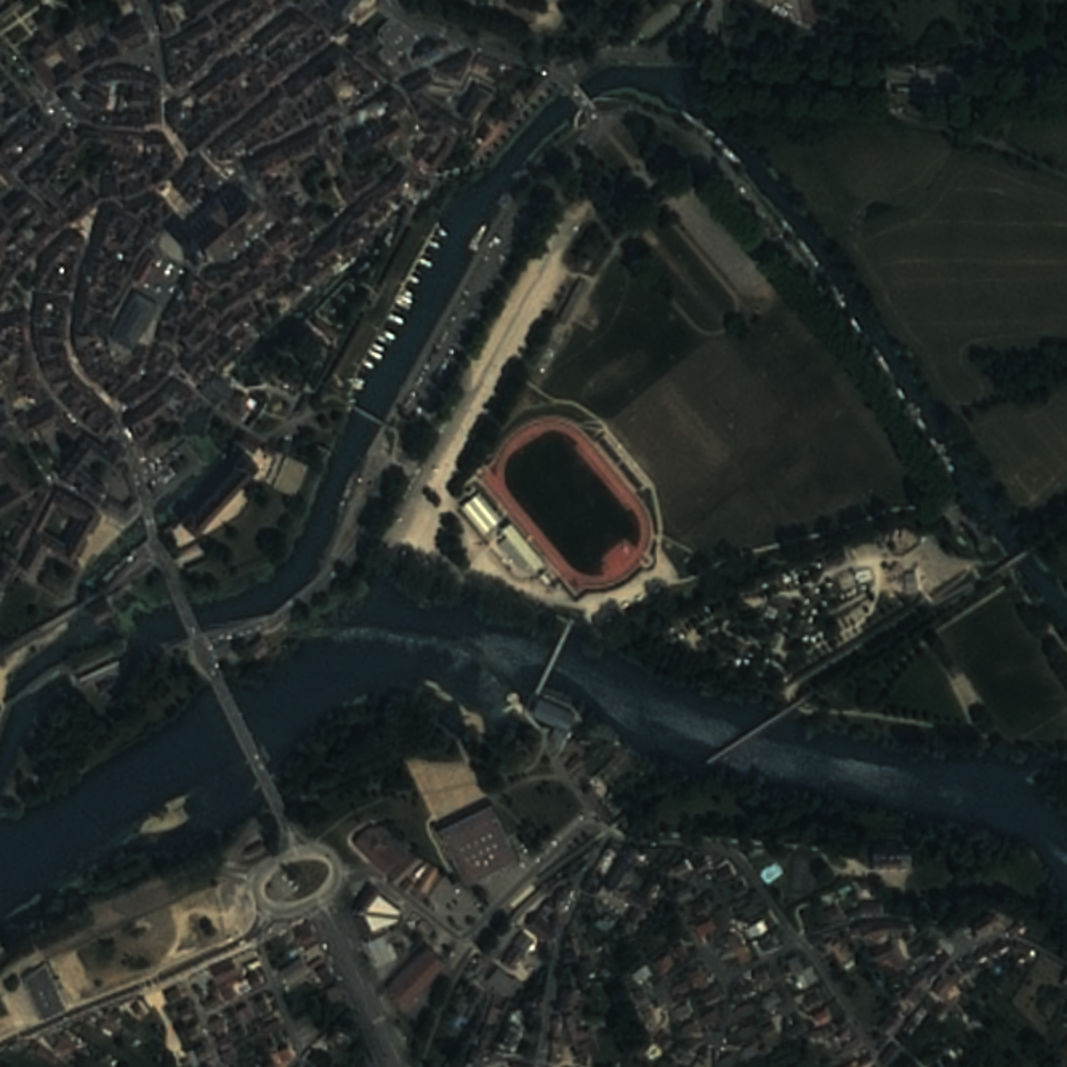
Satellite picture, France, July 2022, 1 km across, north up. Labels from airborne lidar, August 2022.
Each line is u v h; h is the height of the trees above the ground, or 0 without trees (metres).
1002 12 10
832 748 0
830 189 0
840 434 0
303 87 0
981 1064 6
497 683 0
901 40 16
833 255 16
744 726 0
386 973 0
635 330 0
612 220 19
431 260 0
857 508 0
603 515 0
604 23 26
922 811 0
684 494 0
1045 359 18
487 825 0
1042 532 18
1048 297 0
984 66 26
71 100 0
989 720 18
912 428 30
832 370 0
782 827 28
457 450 0
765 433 0
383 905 0
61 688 0
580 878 0
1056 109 31
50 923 30
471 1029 6
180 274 0
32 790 25
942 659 16
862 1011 0
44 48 0
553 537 0
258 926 0
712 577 32
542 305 0
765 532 0
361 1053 7
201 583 15
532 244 30
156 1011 0
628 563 0
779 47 16
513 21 20
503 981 0
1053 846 0
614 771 0
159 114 0
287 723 0
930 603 0
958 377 0
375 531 21
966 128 30
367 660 0
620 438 0
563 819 0
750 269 0
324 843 0
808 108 25
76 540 0
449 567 28
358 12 0
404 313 0
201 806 0
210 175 0
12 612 0
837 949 0
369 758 20
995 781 0
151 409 0
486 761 16
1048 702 0
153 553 0
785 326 0
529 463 0
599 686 0
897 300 0
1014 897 21
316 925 0
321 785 15
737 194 30
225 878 0
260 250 0
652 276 24
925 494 35
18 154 0
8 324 0
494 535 0
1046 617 12
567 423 0
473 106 0
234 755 0
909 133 0
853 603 0
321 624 0
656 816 22
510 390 19
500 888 0
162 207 0
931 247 0
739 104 20
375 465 0
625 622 33
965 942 0
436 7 18
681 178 37
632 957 14
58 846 0
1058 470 0
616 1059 0
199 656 0
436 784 0
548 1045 0
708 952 0
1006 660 0
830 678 12
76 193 0
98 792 0
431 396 0
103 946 8
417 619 0
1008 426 0
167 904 0
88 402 0
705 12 10
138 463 0
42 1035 0
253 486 21
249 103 0
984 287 0
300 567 0
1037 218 0
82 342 0
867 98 35
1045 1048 17
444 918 0
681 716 0
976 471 18
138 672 23
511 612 33
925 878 0
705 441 0
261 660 12
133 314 0
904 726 0
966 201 0
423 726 17
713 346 0
